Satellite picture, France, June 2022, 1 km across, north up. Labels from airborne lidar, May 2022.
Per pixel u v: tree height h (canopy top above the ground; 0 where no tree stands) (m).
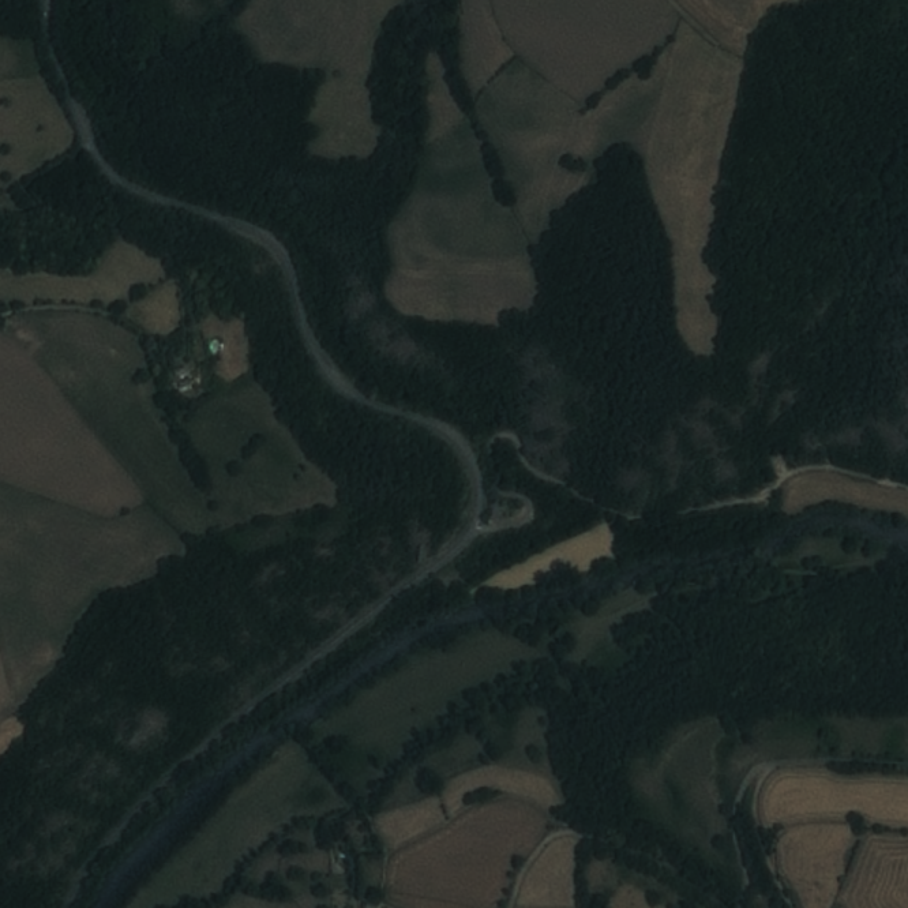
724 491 9
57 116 0
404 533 9
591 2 0
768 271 16
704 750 0
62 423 0
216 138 19
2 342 0
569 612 7
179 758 12
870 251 17
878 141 18
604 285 29
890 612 16
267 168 18
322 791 0
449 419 15
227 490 0
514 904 0
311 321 12
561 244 14
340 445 13
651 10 0
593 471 18
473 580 20
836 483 0
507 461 22
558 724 16
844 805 0
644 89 0
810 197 23
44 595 0
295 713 0
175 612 5
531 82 0
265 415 0
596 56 0
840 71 11
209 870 0
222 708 7
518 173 0
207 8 0
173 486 0
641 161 12
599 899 13
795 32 13
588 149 0
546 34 0
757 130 13
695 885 12
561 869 0
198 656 6
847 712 16
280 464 0
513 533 7
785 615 16
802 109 11
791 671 19
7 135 0
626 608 0
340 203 17
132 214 10
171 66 17
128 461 0
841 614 18
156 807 22
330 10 0
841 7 15
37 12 18
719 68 0
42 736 12
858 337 17
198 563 18
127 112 22
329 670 26
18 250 22
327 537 0
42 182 17
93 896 16
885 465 8
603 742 17
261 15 0
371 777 0
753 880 12
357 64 0
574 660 0
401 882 0
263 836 0
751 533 18
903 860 0
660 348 20
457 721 18
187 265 16
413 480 18
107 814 18
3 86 0
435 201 0
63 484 0
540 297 10
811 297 14
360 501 12
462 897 0
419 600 22
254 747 0
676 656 17
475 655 0
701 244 0
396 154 23
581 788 21
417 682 0
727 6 0
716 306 13
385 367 9
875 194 11
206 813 41
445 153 0
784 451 19
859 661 16
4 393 0
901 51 11
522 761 0
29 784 12
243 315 12
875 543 13
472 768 0
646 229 10
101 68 17
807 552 0
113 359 0
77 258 16
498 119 0
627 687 19
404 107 23
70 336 0
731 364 12
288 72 18
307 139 16
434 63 0
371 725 0
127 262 0
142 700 17
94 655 13
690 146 0
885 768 12
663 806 0
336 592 8
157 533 0
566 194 0
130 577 0
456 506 10
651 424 12
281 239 10
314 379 12
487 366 13
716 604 21
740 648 16
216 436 0
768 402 9
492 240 0
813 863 0
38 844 12
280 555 11
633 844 15
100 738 16
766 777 0
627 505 7
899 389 7
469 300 0
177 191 18
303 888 0
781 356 12
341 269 13
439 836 0
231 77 11
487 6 0
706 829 0
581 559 0
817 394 22
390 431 17
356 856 9
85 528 0
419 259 0
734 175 16
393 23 17
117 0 22
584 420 14
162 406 15
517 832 0
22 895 19
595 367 17
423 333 8
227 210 22
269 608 7
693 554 19
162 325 0
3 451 0
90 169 16
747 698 19
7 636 0
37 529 0
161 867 33
